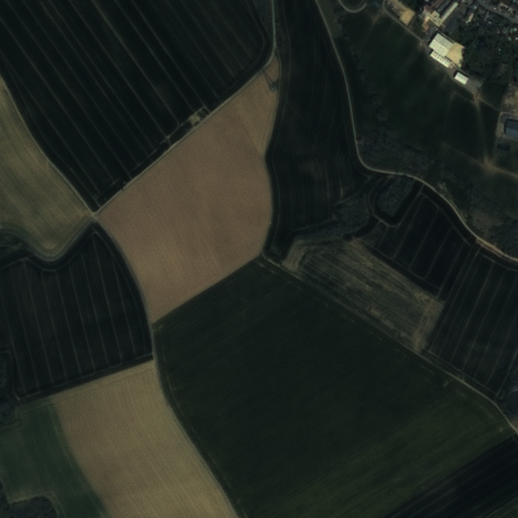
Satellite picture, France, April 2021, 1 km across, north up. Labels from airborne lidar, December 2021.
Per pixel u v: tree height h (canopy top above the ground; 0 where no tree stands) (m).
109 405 0
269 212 0
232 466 0
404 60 0
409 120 0
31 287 0
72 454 0
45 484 0
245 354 0
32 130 0
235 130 0
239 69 0
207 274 0
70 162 0
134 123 0
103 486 0
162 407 0
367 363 0
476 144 0
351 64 0
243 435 0
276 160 0
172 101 0
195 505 0
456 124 0
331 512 0
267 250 0
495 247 0
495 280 0
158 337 0
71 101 0
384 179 0
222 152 0
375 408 0
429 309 0
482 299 0
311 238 19
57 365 0
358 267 0
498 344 0
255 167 0
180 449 0
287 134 0
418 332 0
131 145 0
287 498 0
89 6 0
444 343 0
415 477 0
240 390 0
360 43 0
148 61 0
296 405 0
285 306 0
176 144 0
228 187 0
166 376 0
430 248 0
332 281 0
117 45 0
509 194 0
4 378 16
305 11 0
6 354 0
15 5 0
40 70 0
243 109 0
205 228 0
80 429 0
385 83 0
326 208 0
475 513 0
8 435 0
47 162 0
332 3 15
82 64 0
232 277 0
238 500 0
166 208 0
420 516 0
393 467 0
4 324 0
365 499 0
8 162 0
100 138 0
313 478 0
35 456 0
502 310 0
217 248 0
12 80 0
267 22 12
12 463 0
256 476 0
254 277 0
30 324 0
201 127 0
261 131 0
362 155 7
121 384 0
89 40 0
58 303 0
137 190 0
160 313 0
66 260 0
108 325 0
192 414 0
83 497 0
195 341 0
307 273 0
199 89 0
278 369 0
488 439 0
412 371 0
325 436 0
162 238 0
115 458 0
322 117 0
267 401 0
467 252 0
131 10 0
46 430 0
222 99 0
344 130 0
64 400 0
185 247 0
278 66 0
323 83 0
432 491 0
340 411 0
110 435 0
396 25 0
